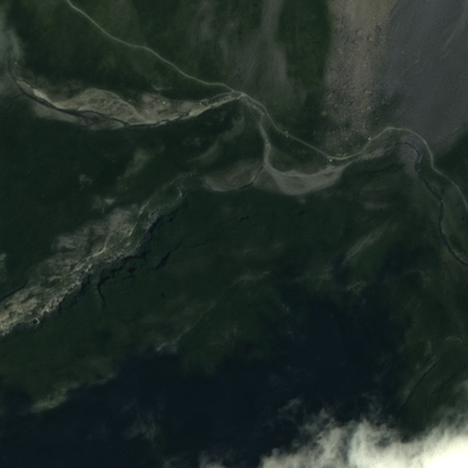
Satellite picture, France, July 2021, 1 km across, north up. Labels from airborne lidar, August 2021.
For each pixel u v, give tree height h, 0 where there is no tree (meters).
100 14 0
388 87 0
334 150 0
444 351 0
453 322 0
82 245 0
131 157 0
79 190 0
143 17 0
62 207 0
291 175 0
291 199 0
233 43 0
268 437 0
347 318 0
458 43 0
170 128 0
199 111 0
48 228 0
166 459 0
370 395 0
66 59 0
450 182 0
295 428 0
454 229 0
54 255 0
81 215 0
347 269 0
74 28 0
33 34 0
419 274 0
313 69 0
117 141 0
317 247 0
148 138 0
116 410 0
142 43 0
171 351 0
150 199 11
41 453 0
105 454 0
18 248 0
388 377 0
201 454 0
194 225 0
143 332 0
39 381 0
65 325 0
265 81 0
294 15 0
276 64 0
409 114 0
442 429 0
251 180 0
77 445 0
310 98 0
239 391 0
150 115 0
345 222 0
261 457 0
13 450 0
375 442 0
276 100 0
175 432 0
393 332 0
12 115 0
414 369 0
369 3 0
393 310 0
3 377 0
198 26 0
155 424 0
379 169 0
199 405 0
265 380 0
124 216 0
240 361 0
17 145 0
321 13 0
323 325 0
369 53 0
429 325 0
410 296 0
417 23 0
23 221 0
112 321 0
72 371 0
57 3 0
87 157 0
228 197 0
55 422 0
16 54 0
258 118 0
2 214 0
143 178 0
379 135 0
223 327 0
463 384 0
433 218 0
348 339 0
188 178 0
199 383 0
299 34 0
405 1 0
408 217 0
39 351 0
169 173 0
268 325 0
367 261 0
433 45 0
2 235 0
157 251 0
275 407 0
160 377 0
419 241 0
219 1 0
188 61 0
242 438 0
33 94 0
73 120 0
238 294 0
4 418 0
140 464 0
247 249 0
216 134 0
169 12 0
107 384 0
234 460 0
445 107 0
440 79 0
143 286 0
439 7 0
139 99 0
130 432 0
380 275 0
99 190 0
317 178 0
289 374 0
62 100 0
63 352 0
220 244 0
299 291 0
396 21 0
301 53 0
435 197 0
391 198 0
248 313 0
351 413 0
